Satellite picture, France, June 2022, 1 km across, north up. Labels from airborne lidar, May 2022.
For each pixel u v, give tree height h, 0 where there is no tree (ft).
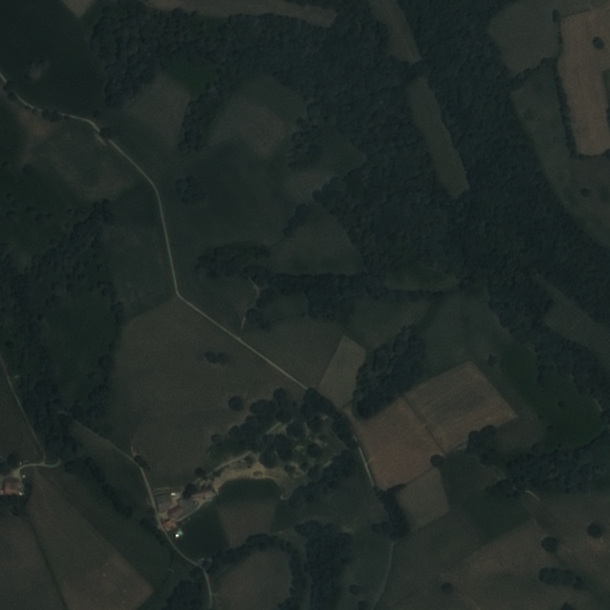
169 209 0
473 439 70
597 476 35
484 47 51
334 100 74
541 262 35
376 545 0
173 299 0
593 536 56
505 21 0
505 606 0
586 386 54
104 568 0
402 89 57
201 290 0
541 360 56
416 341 79
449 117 58
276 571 0
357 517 0
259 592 0
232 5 0
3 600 0
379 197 84
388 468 0
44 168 0
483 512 0
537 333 90
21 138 0
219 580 0
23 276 28
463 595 0
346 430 55
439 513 0
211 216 0
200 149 57
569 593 0
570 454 39
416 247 34
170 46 81
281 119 0
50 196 0
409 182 73
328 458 0
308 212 46
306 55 78
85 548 0
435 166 24
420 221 88
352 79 65
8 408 0
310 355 0
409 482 0
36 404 64
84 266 29
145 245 0
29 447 0
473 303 0
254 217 0
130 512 60
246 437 58
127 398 0
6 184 0
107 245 0
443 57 79
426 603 0
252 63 60
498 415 0
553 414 0
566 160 0
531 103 0
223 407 0
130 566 0
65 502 0
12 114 0
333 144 0
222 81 50
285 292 64
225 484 0
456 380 0
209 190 0
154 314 0
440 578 0
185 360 0
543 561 0
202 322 0
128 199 0
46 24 0
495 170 54
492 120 28
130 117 0
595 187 0
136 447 0
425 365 0
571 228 43
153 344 0
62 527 0
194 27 0
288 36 56
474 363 0
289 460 41
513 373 0
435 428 0
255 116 0
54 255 68
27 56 0
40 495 0
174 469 0
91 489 0
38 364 23
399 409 0
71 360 0
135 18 46
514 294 87
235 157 0
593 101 0
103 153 0
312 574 58
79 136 0
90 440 0
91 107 0
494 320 0
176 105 0
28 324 31
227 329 0
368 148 72
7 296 74
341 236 0
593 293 32
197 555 0
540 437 0
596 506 0
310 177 0
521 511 0
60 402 54
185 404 0
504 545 0
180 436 0
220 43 36
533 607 0
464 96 80
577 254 28
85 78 0
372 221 44
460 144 68
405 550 0
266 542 51
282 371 0
